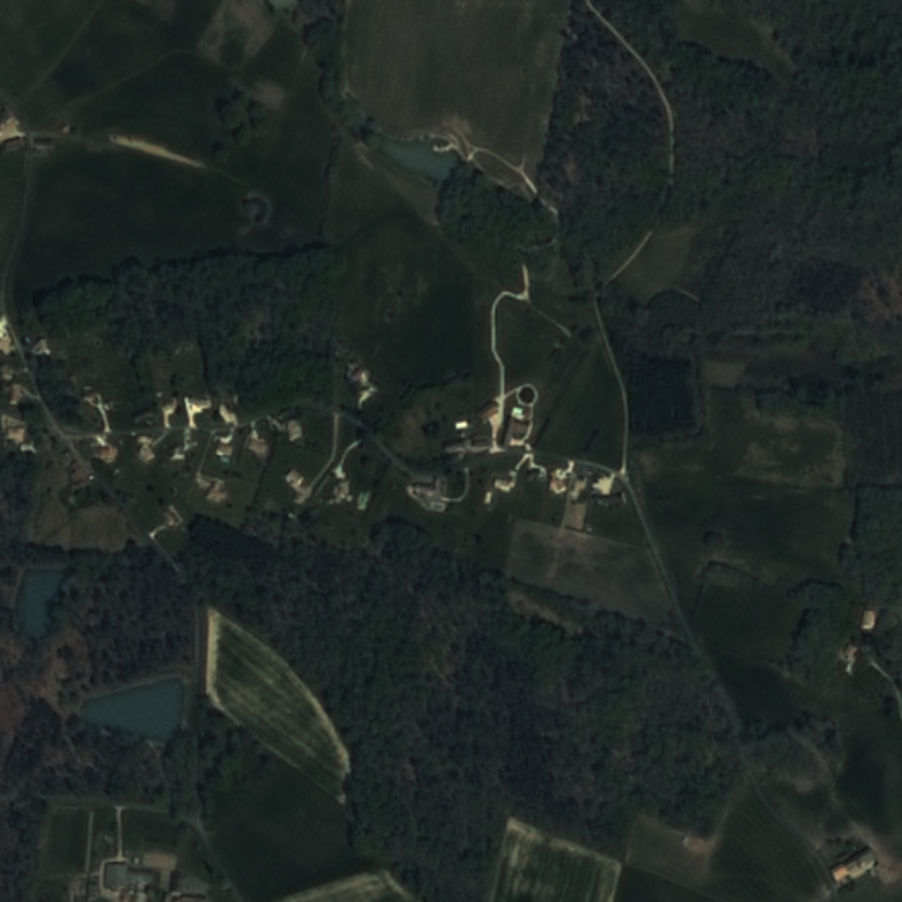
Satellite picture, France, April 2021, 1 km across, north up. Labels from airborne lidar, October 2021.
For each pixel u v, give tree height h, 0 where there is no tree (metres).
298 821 0
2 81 0
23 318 8
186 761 24
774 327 8
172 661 17
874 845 0
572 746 14
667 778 20
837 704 0
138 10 0
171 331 22
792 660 15
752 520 0
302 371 20
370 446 23
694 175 14
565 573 0
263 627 15
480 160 0
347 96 9
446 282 0
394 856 27
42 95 0
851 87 18
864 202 27
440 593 19
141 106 0
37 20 0
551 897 0
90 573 18
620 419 0
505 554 0
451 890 14
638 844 0
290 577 12
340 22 8
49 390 17
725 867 0
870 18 19
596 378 0
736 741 17
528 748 18
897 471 10
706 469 0
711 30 0
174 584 27
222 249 0
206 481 0
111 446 0
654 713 10
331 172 11
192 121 0
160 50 0
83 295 20
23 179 0
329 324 13
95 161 0
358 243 0
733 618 0
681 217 17
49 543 0
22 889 13
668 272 0
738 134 12
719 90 19
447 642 15
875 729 0
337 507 0
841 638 18
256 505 8
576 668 13
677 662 13
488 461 0
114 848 0
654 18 22
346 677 18
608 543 0
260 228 0
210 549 11
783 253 13
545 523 0
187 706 0
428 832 23
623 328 9
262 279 25
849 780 0
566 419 0
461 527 0
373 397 0
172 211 0
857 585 17
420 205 0
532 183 0
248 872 0
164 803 16
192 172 0
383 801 26
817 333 21
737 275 10
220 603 8
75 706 13
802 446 0
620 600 0
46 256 0
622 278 0
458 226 17
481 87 0
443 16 0
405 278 0
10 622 26
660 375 10
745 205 10
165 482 0
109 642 23
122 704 0
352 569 13
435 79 0
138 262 0
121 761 20
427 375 0
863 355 18
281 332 16
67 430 11
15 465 16
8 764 8
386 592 28
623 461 0
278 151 0
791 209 10
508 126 0
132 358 10
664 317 9
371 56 0
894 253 19
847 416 11
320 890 0
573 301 7
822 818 0
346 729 18
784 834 0
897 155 23
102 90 0
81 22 0
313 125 0
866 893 0
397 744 18
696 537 0
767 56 0
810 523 0
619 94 9
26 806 15
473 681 23
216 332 16
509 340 0
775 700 0
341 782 0
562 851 0
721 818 13
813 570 0
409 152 0
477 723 23
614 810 14
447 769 16
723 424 0
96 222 0
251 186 0
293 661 12
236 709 0
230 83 0
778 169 18
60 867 0
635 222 13
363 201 0
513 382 0
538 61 0
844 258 12
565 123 13
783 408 17
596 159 19
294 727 0
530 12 0
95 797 17
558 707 16
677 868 0
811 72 25
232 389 14
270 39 0
